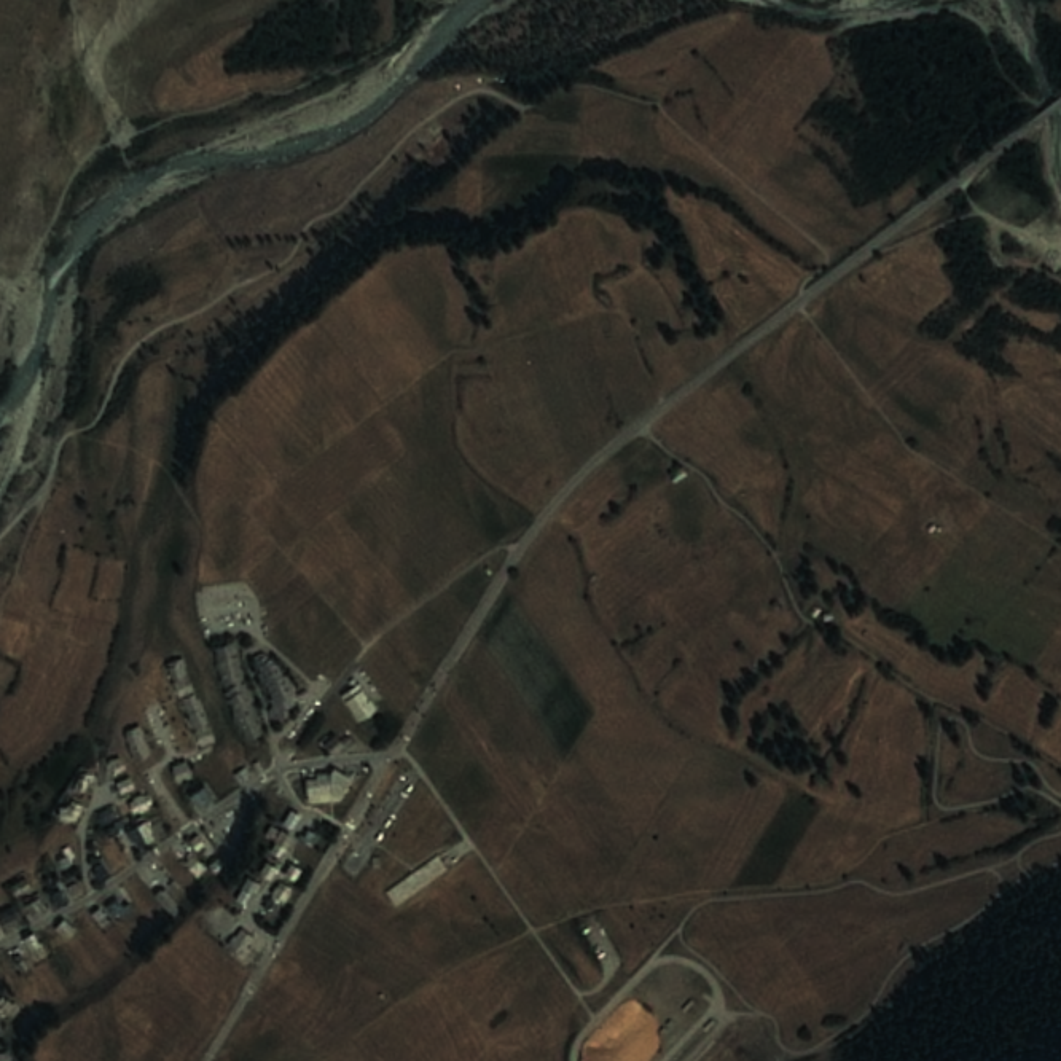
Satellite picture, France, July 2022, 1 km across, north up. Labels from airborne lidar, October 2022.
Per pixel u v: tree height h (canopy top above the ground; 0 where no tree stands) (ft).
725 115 0
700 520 0
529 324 0
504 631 0
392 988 0
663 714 0
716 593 0
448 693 0
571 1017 0
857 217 0
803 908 0
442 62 43
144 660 0
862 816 0
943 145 37
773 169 0
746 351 0
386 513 0
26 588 0
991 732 0
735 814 0
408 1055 0
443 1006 0
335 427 0
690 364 0
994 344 20
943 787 0
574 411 0
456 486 0
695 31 0
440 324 0
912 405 0
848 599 48
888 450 0
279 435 0
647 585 0
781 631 0
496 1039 0
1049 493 0
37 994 0
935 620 0
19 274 0
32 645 0
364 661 0
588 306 0
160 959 0
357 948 0
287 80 0
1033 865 0
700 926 0
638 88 0
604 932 0
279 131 0
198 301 0
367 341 0
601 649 0
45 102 0
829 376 0
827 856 0
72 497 0
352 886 0
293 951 0
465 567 0
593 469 0
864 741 0
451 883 0
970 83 24
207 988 0
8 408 0
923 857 0
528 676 0
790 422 0
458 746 0
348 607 0
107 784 0
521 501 0
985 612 0
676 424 0
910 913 0
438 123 0
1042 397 0
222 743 0
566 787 0
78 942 0
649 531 0
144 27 0
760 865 0
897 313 0
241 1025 0
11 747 0
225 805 0
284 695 0
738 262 0
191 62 0
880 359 0
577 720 0
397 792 0
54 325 0
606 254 0
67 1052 0
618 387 0
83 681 0
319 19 36
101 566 0
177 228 0
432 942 0
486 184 0
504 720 0
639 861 0
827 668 0
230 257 0
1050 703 44
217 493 0
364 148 0
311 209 0
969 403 0
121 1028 0
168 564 0
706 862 0
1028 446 0
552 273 0
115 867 0
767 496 0
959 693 0
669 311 0
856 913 0
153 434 0
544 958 0
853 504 0
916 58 19
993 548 0
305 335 0
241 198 0
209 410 45
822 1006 0
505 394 0
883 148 23
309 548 0
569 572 0
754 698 0
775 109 0
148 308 0
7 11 0
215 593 0
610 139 0
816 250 0
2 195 0
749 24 0
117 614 0
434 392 0
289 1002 0
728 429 0
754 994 0
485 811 0
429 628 0
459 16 0
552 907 0
